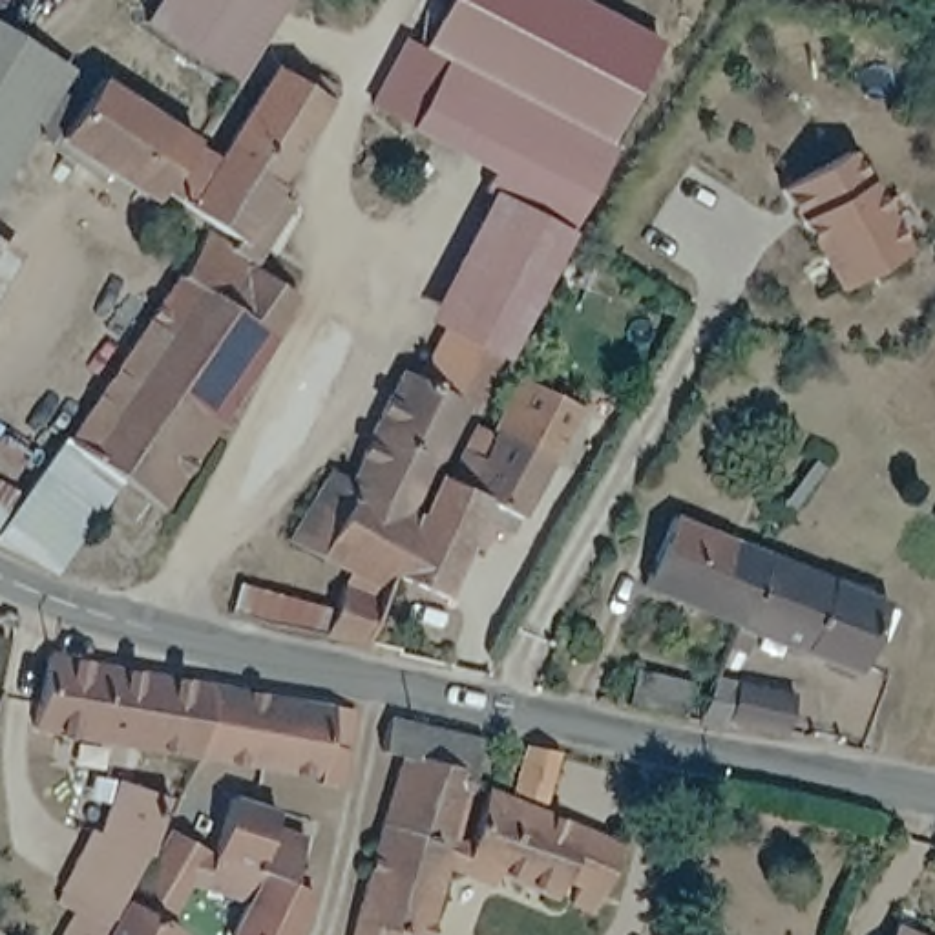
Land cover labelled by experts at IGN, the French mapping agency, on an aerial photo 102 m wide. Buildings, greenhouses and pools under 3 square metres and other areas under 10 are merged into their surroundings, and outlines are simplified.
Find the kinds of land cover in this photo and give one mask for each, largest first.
<instances>
[{"label":"building","instance_id":"1","mask_svg":"<svg viewBox=\"0 0 935 935\"><path fill-rule=\"evenodd\" d=\"M310 18V0H164L153 22L172 40H190L201 51V58L215 62L223 73L245 84L267 47L285 44L278 37V26L285 18ZM665 40L657 37V29H643L592 0H427L420 18L413 26H398V33L391 37L369 80V99L383 106V113H405L413 124H420L424 139L413 150H424L427 161L475 157L482 168L493 172V208L471 252L464 256L446 299H435V325L446 332L435 351L442 383H431L416 373L402 376L394 402L387 405L376 427V446L369 449L358 471L362 500L347 497L351 482L347 475H340L336 460H325L314 471V478L292 497L281 522L289 548L310 544L314 552H325L321 559L332 573H347L351 584L343 592V610L256 588V625L289 636L329 639V654L354 657L362 646L387 643L391 621H380V614L391 599V581L405 584L409 599H438V614H446V621L457 610V588L464 584L471 559L486 555L497 533L519 530V522L511 519H497V508L511 504L519 511H530L555 468H566L573 475L581 453L588 449L592 435L606 424L610 413L603 391H588V402H573L570 394L548 387L533 380L504 383L497 394V409L504 413L497 420L489 431H475L464 460H453L449 453L460 427L468 424V416L482 413L493 373L522 354L526 336L533 332L559 281L562 263L573 256L581 226L592 205L599 201L621 150L650 113L643 110V88L654 80L661 66ZM77 80V66L55 58L7 22H0V175L18 153H29L33 142L44 135L51 139L55 164L69 168V179L84 183L91 197L113 208L117 215H128L131 201H179L197 226H208V241L197 267L172 289L161 314L150 321V329L121 365L117 380L106 387L77 438L58 449L55 464L33 486V493L18 489V475H7L0 468V555L55 577L84 544L88 515L110 508L121 489L135 497H161L168 508L201 464L205 449L215 438L230 442L241 424V409L252 398V387L259 383L270 354L292 329L303 303V289L296 285L299 274L274 256V237L296 212L299 183L307 179L310 153L336 110V99L321 95L310 80L281 69L226 153H215L208 142L186 135L179 121H172L153 102L139 99L135 91L113 80L102 88L95 113H88L77 124L73 135H62L58 117ZM880 168L873 164L869 150L855 142V150L836 164L793 183V230L818 234L822 259H829V274H836L844 289L869 285L873 274L895 281V267L906 263L909 248L917 245L913 237L895 234L898 223L895 212L884 205L888 201L873 194ZM33 263L29 248H22L11 237H0V278H15L18 267L26 270ZM829 475V464L814 468L789 500L796 519L814 504L822 478ZM778 541L752 533L749 541H734L690 519L672 522L650 588L694 603L712 621L716 617L738 628L734 650L745 654L763 643H778L785 650H807L814 657L866 672L884 650L891 603L884 581L869 577L866 584H858L829 577L807 562L782 555ZM29 756H51L58 741L80 749L128 745L139 752L146 745L157 752L168 741H179V752L186 760H201L215 763L226 778H252L263 785L270 774H296L303 763L325 774L329 789L347 782V752L332 745L340 730V709L332 701H296L234 690L219 683H183L172 676L124 672L121 665H77L69 657V643H62V654H55L47 665V690H29ZM738 683H716V698L705 716L694 712V687L687 679L646 672L636 683L632 705L643 709L654 701L661 712L698 720L694 734L796 752L807 734L804 723L811 716L800 712L793 679L738 668ZM493 741L398 720L391 727V741L383 745V752L387 760H402V778L380 844V866L373 869L369 884L358 935H438L446 909L453 902V884L460 877L486 884L511 877V891H522L530 884L537 888L541 906H552V898L570 895L577 909L592 917L603 906L614 884V869H628V851L636 844L614 840L606 833H592L573 822L552 818V800L533 796L544 778V760L552 752L530 745L522 756L519 785H508L482 771V756ZM234 833L223 851L190 844L168 825L157 814V793L142 785L117 782V796L110 804L106 829H99L88 840V851L77 862L66 895L55 898L62 913H73L66 935H194L175 924V909L186 906L190 891H219L226 898V931L234 935H274L296 888H310V866L303 822L292 811H281L274 796L234 800Z\"/></svg>","mask_w":935,"mask_h":935},{"label":"herbaceous vegetation","instance_id":"2","mask_svg":"<svg viewBox=\"0 0 935 935\"><path fill-rule=\"evenodd\" d=\"M164 0H0V22H7L55 58L77 66V80L58 117L62 135H73L77 124L88 113H95L102 88L113 80L135 91L139 99L153 102L172 121H179L186 135L208 142L237 106L245 84L223 73L215 62L201 58V51L190 40H172L153 22ZM643 29H657V37L665 40L661 66L654 80L643 88V110L650 113L657 110L661 91L679 73L676 47L687 40L705 0H592ZM778 77H763L756 99L730 84V73L745 69L749 62L738 51L727 55L723 73H712L705 80V99L709 110H716V128L705 131L694 113H679V124L654 139V175L636 179L628 172L606 212V219L614 223L610 237L632 259L657 267L672 281L687 285L690 274L665 256V245H654L646 234H639V226L657 223L665 201L679 194L690 179V164H701L709 175L727 183L730 194L767 212H782V205H793V183L836 164L855 150V142L869 150L873 164L880 168L873 194L888 201L895 194H913L924 223L920 230H913V237L917 245L909 248L906 263L895 267V281L873 274L869 285L873 296L862 303L818 296L814 285L829 274V259H822L818 234L793 230L763 252L760 267L752 270L738 299L749 307L760 303V292L785 285L800 321L825 318L836 343L847 340L851 325H862V332L877 343L884 332H898L902 321L917 318L924 296L935 292V131L909 135V128L895 121L891 106H898L906 91V73L898 69L902 55L891 44L869 40V33L851 40V62H862V88L833 84L822 73V37L814 26L800 22H782L774 29ZM424 139L420 124H413L405 113H383V106L369 99L358 135L362 150L351 164V194L369 219H391L398 205L376 190L373 168H424L427 161L424 150H413ZM69 179V168L55 164L51 139L44 135L33 142L29 153H18L0 175V237H11L15 226L37 205V197H47L55 183ZM208 241V226H197L194 252L179 267L164 270L161 281L146 292V299L139 292H124L121 278L110 274L95 299H80L73 307L69 325L47 347L44 362L26 369L11 383V391L0 394V468L7 475H18V489L33 493V486L55 464L58 449L77 438L106 387L117 380L121 365L150 329V321L161 314L172 289L197 267ZM559 281L566 289H584L573 310L584 318L588 329L577 332L573 343L559 336V347L548 362L559 380H548V387L570 394L573 402H588V391H603V369L628 373L639 365V347L625 340V321L628 314H636L639 299L632 292H621L614 270L577 274L573 256L562 263ZM446 332L435 325L424 340L413 343V351L398 354L391 369L376 376L373 405L354 424V446L336 460L340 475H347L351 482L347 497L362 500L358 471L369 449L376 446V427L387 405L394 402L402 376L416 373L431 383H442L435 351ZM785 347V336H774V343H763L749 354V365L738 376H727L716 387L701 391L705 405H712L716 413L705 427L694 420L687 424L679 453L665 468L661 482L646 486L632 478L625 493L636 500L632 544L610 566H603V581L621 588L625 570L639 566V584L632 599H657L679 606L690 621V636H668L665 646H654L650 636H628L625 628L621 654L643 657L646 672L687 679L683 668L694 646H723V628H712V621L694 603L650 588L672 522L690 519L734 541H749L752 533L745 530V522L756 515L752 497H727L705 475L716 464V442L727 435L763 431V416L785 413H796L800 431L811 435H822L836 446V464H829V475L822 478L814 504L796 519L793 526H785L778 541L782 555L807 562L829 577L858 584H866L869 577L884 581L891 603L884 650L866 672L814 657L807 650H785L778 643H763L745 654L734 650L727 661L730 668H738L793 679L800 712L811 716L804 723L807 734H833L847 741V749L866 752H880L884 734L888 712L898 709L906 687L898 665L906 643H898L895 636L902 628L906 610H920L928 603V577L902 562L898 541L906 522L928 519L935 511V336H928V343L909 358L866 362L862 354H840L811 380H804L796 391L774 376ZM497 420L482 413L468 416V424L460 427L449 453L453 460H464L475 431H489ZM168 508L161 497H135L121 489L110 508L88 515L84 544L55 577L66 588L124 599V588L146 584L161 573L172 544L157 533L161 515ZM325 552H314L310 544L289 548L281 522L274 519L263 533L234 548V581H212V595L226 614L237 610L241 588H256L343 610V592L351 584L347 573H332L321 559ZM413 617H420L427 628H442V639L457 643L464 632V610H457L446 621V614H438V599H409ZM398 720L493 741L504 738L511 727L504 716H486V723H471L409 705L383 709L380 701L340 709V730L332 745L347 752V782L329 789L325 774L303 763L296 774H270L263 785L274 796L281 811H292L303 822L310 866V888H296L274 935H358L369 884L354 880L358 840L380 844L402 778V760H387L383 752V745L391 741V727ZM530 745L552 752H562L573 763L599 771L614 767L610 756L566 749L544 730L526 734ZM201 760H186L179 752V741H168L157 752L146 745L139 752L128 745L80 749L58 741L51 756H29V785L37 793V804L62 825L73 829L80 822L84 800L110 804L117 796V782L142 785L157 793V814L168 825L183 818L179 796L186 793L194 767ZM73 913H62L55 898V873L29 866L11 847L0 763V935H66ZM760 825L771 829L763 851L749 844H698V862L646 873V884L639 891V898H646V924L636 935H654L650 920L661 917L665 902H676L679 891L709 888L712 880L727 884L723 935H814L833 880L844 866L833 825L800 822L785 814H760ZM811 862H818L822 869L814 898L804 909L778 902L767 877L785 869L800 873ZM869 935H935V833H931L924 869L913 877L909 891L888 906V917ZM175 924L194 935H234L226 931V898L219 891H190L186 906L175 909ZM614 920V909L603 906L592 917L577 909L570 917H541L511 898H486L475 935H603Z\"/></svg>","mask_w":935,"mask_h":935},{"label":"pervious surface","instance_id":"3","mask_svg":"<svg viewBox=\"0 0 935 935\"><path fill-rule=\"evenodd\" d=\"M427 0H380L373 22L358 29H329L314 26L310 18H285L278 26V37L285 44L267 47L245 84L237 106L208 142L215 153H226L281 69L310 80L321 95L336 99V110L310 153L307 179L299 183L296 212L274 237V256L299 274L296 285L303 289V303L292 329L270 354L259 383L252 387V398L241 409V424L230 442L194 515L172 544L161 573L146 584L124 588V599L197 617L241 636L329 654V639L289 636L256 625V588H241L237 610L226 614L212 595V581H234V548L263 533L274 519L281 522L292 497L314 478V471L325 460H336L354 446V424L373 405L376 376L391 369L398 354L413 351V343L424 340L435 325V299H446L464 256L471 252L493 208V172L482 168L475 157L427 161L424 168V190L409 205H398L391 219H369L351 194V164L362 150L358 135L369 99V80L391 37L398 33V26H413L420 18ZM157 219V201H131L128 215H117L113 208L91 197L84 183L69 179L55 183L47 197H37V205L15 226L11 237L22 248H29L33 263L26 270L18 267L15 278H0V394L11 391V383L26 369L44 362L47 347L69 325L73 307L80 299H95L110 274L121 278L124 292H139L146 299V292L161 281L164 270L161 259L146 256L131 237L135 230ZM749 314V307L738 299L723 303V310L709 321L690 314L679 329L672 351L654 373V394L625 431L621 435L610 468L603 471L584 511L577 515L508 654L500 657L489 650L482 654L489 687L555 705H581L603 716L646 723L654 730L694 734L698 720L661 712L654 701L643 709L632 705L599 698L603 665L621 654L625 628L632 599L639 584V566L625 570L621 588L610 606L595 614L603 646L592 661H573V668L566 672V690H548L537 668L548 650L552 617L562 610L573 584L581 581L595 552V537L606 533L614 500L625 493L632 478L639 453L657 442L668 409L683 416L690 394L705 380L712 347L723 340L730 321ZM354 657L409 672H431L442 679H453L460 665L420 657L405 646L387 643L362 646ZM796 752L935 774V767L895 756L891 734H884L880 752H866L847 749V741L833 734H807ZM931 833L906 829L902 851L873 884L869 898L858 902L847 917L844 935H869L888 917V906L909 891L913 877L924 869Z\"/></svg>","mask_w":935,"mask_h":935},{"label":"deciduous trees","instance_id":"4","mask_svg":"<svg viewBox=\"0 0 935 935\"><path fill-rule=\"evenodd\" d=\"M782 22H800L814 26L822 37V73L833 84L862 88V62H851V40L869 33V40L891 44L902 55L898 69L906 73V91L898 106H891L895 121L909 128V135L935 131V0H873L866 15H840V11H833V7H800V4H778V0H705L687 40L676 47L679 73L661 91L657 110L650 113L621 150L599 201L592 205L581 226L573 256L577 274L614 270L621 292H632L639 299L636 314L650 325L672 318V325L679 329L690 314L694 296L687 285L672 281L657 267L632 259L610 237L614 223L606 219V212L628 172L636 179L654 175V139L679 124V113H694L705 131L716 128V110H709L705 99V80L712 73H723L727 55L738 51L749 62L745 69L730 73V84L756 99L763 77H778L774 29ZM376 190L398 205H409L424 190V168H373ZM131 237L146 256L161 259L164 270L179 267L194 252L197 226L179 201H157V219L135 230ZM584 289H566L559 281L533 332L526 336L522 354L493 373L482 413L497 420L504 413L497 409V394L504 383L533 380L548 387V380H559L548 362L559 347V336L573 343L577 332L588 329L584 318L573 310ZM774 336H785V347L774 376L796 391L804 380H811L840 354H862L866 362L909 358L928 343V336H935V292L924 296L917 318L902 321L898 332H884L877 343L862 332V325H851L847 340L836 343L825 318L800 321L785 285L760 292V303L749 307V314L730 321L723 340L712 347L705 380L690 394L683 416L668 409L657 442L639 453L632 478L646 486L661 482L665 468L679 453L687 424L694 420L705 427L716 413L712 405H705L701 391L716 387L727 376H738L749 365V354L763 343H774ZM610 413L621 416L625 431L654 394V373L650 365H639L628 373L603 369V391ZM811 435L800 431L796 413H785L763 416V431L727 435L716 442V464L705 475L727 497H752L756 515L745 522V530L752 533L778 541L785 526H793L796 519L789 500L814 468L800 460L804 442ZM636 500L625 493L614 500L606 533L595 537V552L581 581L573 584L562 610L552 617L548 650L537 668L548 690H566V672L573 668V661H592L603 646L595 614L610 606L621 588L603 581V566H610L632 544ZM902 562L928 577H935V511L928 519L906 522L898 541ZM380 621H391L387 643L405 646L420 657L460 665L457 643L442 639V628H427L420 617H413L409 599L405 584L391 581V599L380 614ZM628 636H650L654 646H665L668 636H690V621L679 606L657 599H632L625 628ZM712 628H723V646H694L683 668L687 679L694 687V712L705 716L716 698V683H738V668H730L727 661L734 650L738 628L716 617L712 621ZM646 672L643 657L621 654L603 665L599 698L632 705L636 683ZM530 745L526 734L511 727L504 738L493 741L482 756V771L508 785H519L522 756ZM625 822L610 814L606 833L614 840L636 844L643 847L646 873L698 862V844H749L763 851L771 829L760 825V814H785L800 822L833 825L844 866L851 880L840 895L836 913L847 917L858 902L869 898L873 884L902 851L906 829L902 822L888 825V818L869 807L760 782H723L716 789H672L665 800L621 807ZM380 866V844L358 840L354 880L369 884L373 869ZM822 869L818 862H811L800 873L785 869L767 877L778 902L804 909L814 898ZM727 884L712 880L709 888L679 891L676 902H665L661 917L650 920L654 935H723Z\"/></svg>","mask_w":935,"mask_h":935},{"label":"impervious surface","instance_id":"5","mask_svg":"<svg viewBox=\"0 0 935 935\"><path fill-rule=\"evenodd\" d=\"M690 179L679 194L665 201L657 223L639 226V234H646L654 245H665V256L690 274L687 285L694 296L690 314L709 321L723 310V303L738 299L752 270L760 267L763 252L793 230V205H782V212H767L730 194L727 183L709 175L701 164H690ZM884 205L895 212L898 223L895 234L913 237V230H920L924 223L913 194H895ZM621 435L625 431L621 416L610 413L606 424L592 435L588 449L581 453L573 475L566 468H555L530 511H519L511 504L497 508V519H511L519 522V530L497 533L486 555L471 559L464 584L457 588V610H464V632L457 643L460 665L453 679H442L431 672H409L354 657L329 654L241 636L197 617L124 599L66 588L55 577L0 555V763L11 847L29 866L55 873V898L66 895L77 862L88 851V840L99 829H106L110 804L84 800L80 822L73 829L62 825L37 804V793L29 785V690H47V665L55 654H62V643H69V657L77 665H121L124 672L172 676L183 683H219L234 690L296 701H332L340 709L380 701L383 709L409 705L471 723H486V716H504L511 727L526 734L544 730L566 749L610 756L614 767L599 771L573 763L562 752H552L544 760V778L533 796L552 800V818L573 822L592 833H606L610 814L625 822L621 807L665 800L672 789H716L723 782H760L869 807L888 818V825L902 822L906 829L931 833H935V774L796 752L694 734L654 730L646 723L603 716L581 705H555L489 687L482 654L489 650L500 639L508 614L526 592L548 541L555 537L573 497L581 493L603 446ZM274 796L263 785L252 778H226L215 763L201 760L194 767L186 793L179 796L183 818L168 825L190 844L223 851L234 833V800ZM646 884V873L643 847L636 844L628 851V869H614V884L603 906L614 909V920L603 935H636L646 924V898H639V891ZM486 898H511L541 917H570L577 909L570 895L552 898V906H541L537 888L530 884L522 891H511V877L486 884L460 877L453 884V902L446 909L438 935H475Z\"/></svg>","mask_w":935,"mask_h":935},{"label":"brushwood","instance_id":"6","mask_svg":"<svg viewBox=\"0 0 935 935\"><path fill-rule=\"evenodd\" d=\"M818 296L862 303L873 296L869 285L844 289L836 274H829L814 285ZM679 329L672 325V318L650 325L636 314H628L625 321V340L639 347V365H650L654 373L672 351ZM621 435L603 446L581 493L573 497L555 537L548 541L526 592L508 614L500 639L489 650L500 657L508 654L577 515L584 511L603 471L610 468ZM800 460L814 468L829 464H836V446L822 435H811L804 442ZM230 442L215 438L205 449L201 464L168 508L161 515L157 533L172 544L194 515ZM851 880L844 866L833 880L814 935H844L847 917L836 913L840 895Z\"/></svg>","mask_w":935,"mask_h":935},{"label":"agricultural land","instance_id":"7","mask_svg":"<svg viewBox=\"0 0 935 935\"><path fill-rule=\"evenodd\" d=\"M380 0H310V18L314 26L329 29H358L373 22ZM778 4H800V7H833V11H840V15H866L873 0H778ZM928 603L920 610H906L902 628L895 636L898 643H906L898 665L906 687L898 709L888 712L884 734H891L895 756L935 767V577H928Z\"/></svg>","mask_w":935,"mask_h":935}]
</instances>
